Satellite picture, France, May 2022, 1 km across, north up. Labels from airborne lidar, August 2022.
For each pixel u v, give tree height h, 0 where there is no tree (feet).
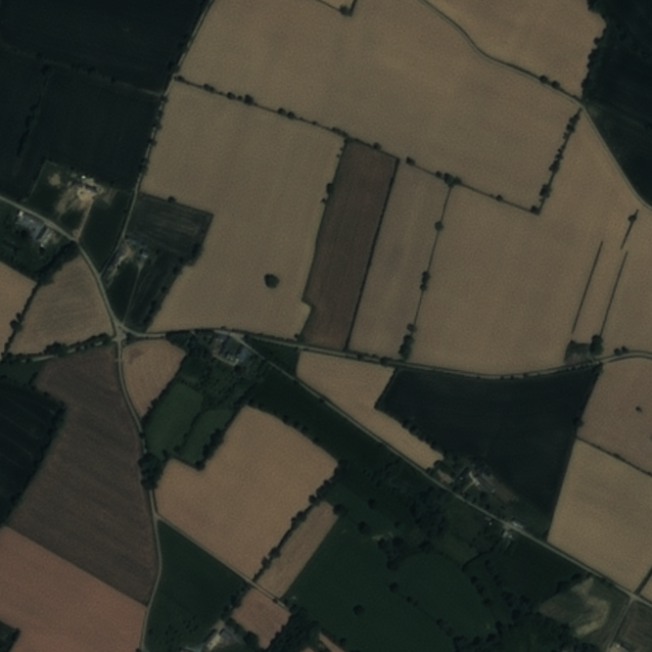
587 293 0
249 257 0
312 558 0
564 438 0
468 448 0
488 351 0
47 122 0
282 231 0
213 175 0
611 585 38
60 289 0
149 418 50
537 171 0
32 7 0
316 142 0
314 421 0
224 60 0
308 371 0
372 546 0
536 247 0
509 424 0
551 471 0
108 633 0
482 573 0
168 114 0
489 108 0
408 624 0
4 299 0
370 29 0
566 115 0
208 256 0
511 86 0
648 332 0
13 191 0
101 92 0
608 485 0
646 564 0
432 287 0
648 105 0
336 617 0
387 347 0
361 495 0
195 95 0
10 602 0
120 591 0
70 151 0
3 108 0
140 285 0
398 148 0
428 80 0
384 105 0
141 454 0
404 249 0
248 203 0
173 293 0
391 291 0
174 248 0
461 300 0
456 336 0
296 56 0
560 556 0
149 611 0
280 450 0
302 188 0
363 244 0
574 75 0
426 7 0
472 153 0
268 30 0
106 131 0
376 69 0
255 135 0
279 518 0
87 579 0
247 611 0
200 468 42
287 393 0
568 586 42
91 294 0
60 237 0
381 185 0
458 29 0
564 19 0
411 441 0
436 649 0
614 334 0
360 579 0
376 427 0
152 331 0
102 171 0
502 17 0
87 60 0
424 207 0
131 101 0
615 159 0
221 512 0
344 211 0
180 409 0
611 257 0
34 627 0
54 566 0
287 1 0
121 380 0
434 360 0
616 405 0
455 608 0
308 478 0
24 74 0
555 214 0
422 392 0
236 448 0
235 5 0
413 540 0
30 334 0
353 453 0
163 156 0
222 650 0
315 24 0
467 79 0
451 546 0
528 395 0
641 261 0
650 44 0
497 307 0
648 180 0
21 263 18
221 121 0
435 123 0
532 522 0
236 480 0
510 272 0
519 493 0
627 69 0
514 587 0
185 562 0
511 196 0
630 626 0
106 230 0
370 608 0
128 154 0
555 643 0
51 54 0
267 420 0
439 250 0
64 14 0
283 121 0
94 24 0
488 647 84
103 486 0
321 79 0
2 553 0
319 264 0
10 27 0
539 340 0
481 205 0
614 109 0
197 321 0
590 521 0
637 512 0
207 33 0
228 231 0
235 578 0
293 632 37
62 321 0
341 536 0
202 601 0
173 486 0
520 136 0
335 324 0
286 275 0
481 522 0
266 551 0
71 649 0
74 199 0
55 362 0
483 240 0
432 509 108
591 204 0
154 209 0
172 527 0
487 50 0
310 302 0
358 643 0
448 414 0
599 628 0
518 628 30
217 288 0
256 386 30
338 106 0
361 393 0
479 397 0
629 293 0
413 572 0
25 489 28
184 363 27
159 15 0
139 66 0
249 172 0
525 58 0
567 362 0
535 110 0
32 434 0
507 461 0
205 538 0
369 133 0
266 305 0
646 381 0
